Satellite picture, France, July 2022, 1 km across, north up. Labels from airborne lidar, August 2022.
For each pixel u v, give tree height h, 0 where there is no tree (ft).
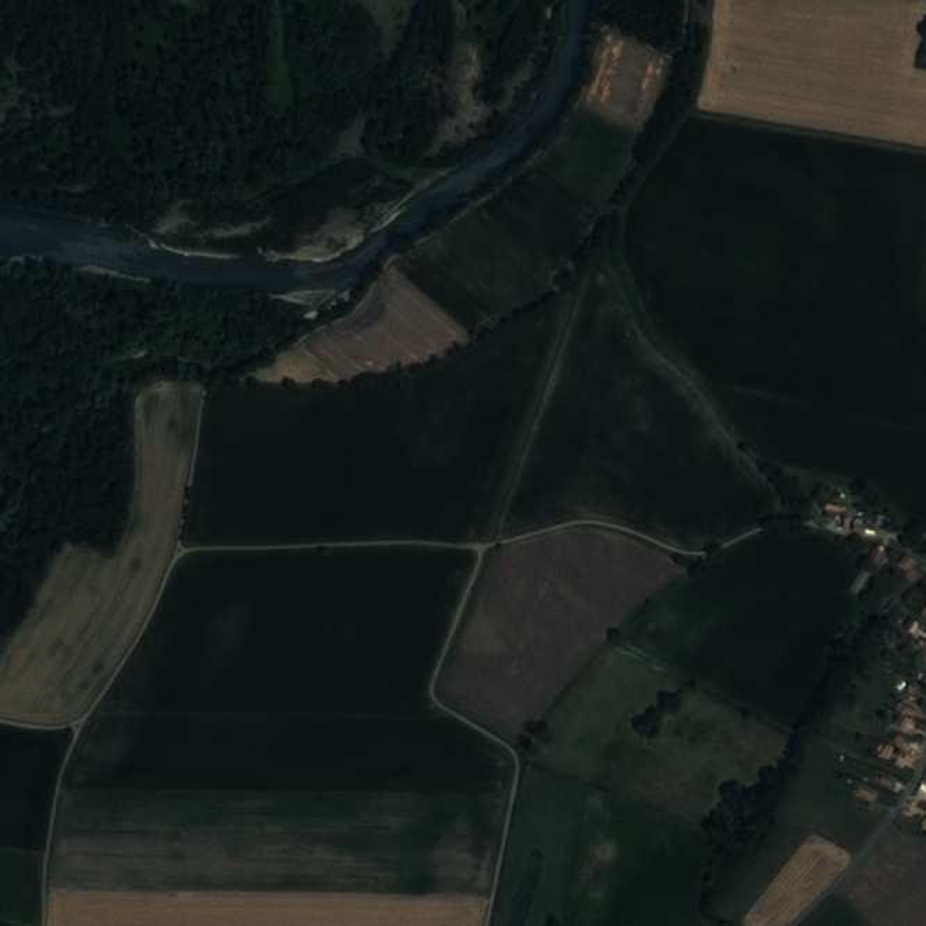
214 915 0
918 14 0
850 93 0
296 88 23
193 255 0
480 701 0
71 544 43
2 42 70
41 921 0
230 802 0
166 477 0
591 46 47
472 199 44
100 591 0
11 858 0
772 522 42
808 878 0
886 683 0
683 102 83
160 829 0
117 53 53
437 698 0
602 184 0
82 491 66
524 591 0
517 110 29
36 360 60
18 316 34
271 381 0
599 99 0
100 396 35
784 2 0
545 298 32
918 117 0
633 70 0
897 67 0
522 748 21
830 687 71
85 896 0
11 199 58
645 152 79
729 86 0
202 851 0
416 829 0
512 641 0
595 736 0
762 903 0
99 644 0
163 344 38
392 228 0
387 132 74
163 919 0
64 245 0
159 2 26
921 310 0
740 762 0
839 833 0
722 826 80
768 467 44
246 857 0
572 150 0
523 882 0
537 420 0
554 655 0
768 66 0
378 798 0
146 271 0
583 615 0
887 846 0
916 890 0
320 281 0
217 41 69
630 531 0
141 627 0
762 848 39
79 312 58
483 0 25
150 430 0
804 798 0
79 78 64
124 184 51
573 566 0
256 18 83
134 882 0
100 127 83
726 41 0
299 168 71
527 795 0
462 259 0
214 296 61
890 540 0
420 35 70
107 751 0
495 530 0
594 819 0
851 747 0
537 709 0
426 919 0
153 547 0
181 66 50
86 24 68
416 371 53
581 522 0
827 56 0
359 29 26
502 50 52
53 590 0
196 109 60
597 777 0
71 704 0
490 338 40
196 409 0
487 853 0
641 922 0
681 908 0
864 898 0
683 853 0
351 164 23
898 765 0
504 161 0
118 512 49
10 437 46
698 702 0
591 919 0
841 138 0
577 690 0
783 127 0
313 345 0
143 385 28
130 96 76
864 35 0
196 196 25
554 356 0
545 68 31
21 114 55
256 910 0
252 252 22
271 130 62
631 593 0
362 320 0
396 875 0
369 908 0
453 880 0
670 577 0
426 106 56
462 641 0
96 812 0
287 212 31
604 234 56
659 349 0
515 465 0
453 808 0
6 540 82
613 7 34
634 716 0
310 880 0
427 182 0
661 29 31
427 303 0
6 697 0
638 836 0
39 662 0
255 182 81
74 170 31
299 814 0
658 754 0
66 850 0
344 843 0
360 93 22
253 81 70
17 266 31
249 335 66
